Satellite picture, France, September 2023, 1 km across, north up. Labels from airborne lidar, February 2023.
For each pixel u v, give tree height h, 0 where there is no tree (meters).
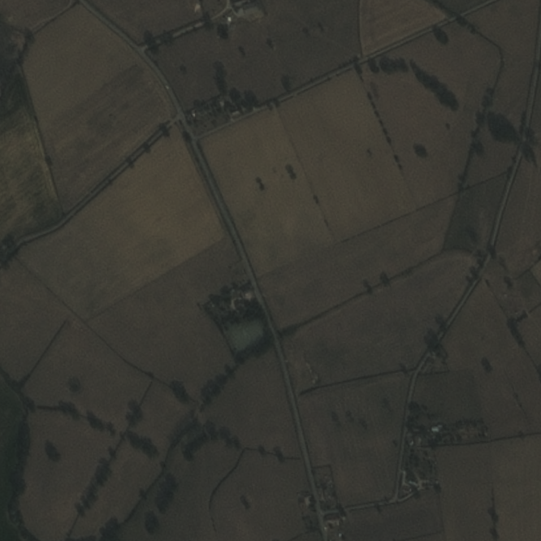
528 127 0
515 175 0
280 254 0
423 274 0
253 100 16
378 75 0
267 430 0
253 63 0
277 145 0
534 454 0
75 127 0
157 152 0
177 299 0
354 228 0
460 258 0
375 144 0
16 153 0
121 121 0
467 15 0
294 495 0
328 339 0
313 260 0
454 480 0
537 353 0
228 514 0
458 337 0
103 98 0
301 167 0
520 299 0
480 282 0
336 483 0
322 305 0
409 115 0
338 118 0
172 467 0
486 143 0
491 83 0
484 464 0
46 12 0
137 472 0
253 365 0
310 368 0
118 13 0
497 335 0
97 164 0
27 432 22
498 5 0
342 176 0
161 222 0
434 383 0
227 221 0
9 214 0
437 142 0
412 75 0
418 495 14
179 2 0
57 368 0
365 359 0
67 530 0
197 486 0
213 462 0
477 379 0
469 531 0
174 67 0
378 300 0
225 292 11
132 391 0
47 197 0
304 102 0
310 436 0
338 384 0
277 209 0
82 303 0
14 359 0
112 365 0
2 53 18
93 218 0
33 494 0
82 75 0
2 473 0
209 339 0
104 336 0
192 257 0
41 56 0
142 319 0
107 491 0
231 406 0
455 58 0
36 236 0
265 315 9
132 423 18
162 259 0
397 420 0
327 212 0
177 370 0
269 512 0
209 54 0
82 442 0
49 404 0
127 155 0
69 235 0
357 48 0
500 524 0
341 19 0
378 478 0
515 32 0
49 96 0
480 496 0
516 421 0
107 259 0
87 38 0
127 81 0
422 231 0
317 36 0
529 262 0
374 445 0
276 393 0
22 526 7
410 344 0
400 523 0
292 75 0
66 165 0
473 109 0
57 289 0
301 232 0
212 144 0
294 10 0
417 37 0
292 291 0
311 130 0
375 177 0
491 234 0
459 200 0
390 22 0
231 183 0
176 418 0
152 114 0
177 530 0
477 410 0
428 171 0
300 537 0
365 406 0
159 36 0
